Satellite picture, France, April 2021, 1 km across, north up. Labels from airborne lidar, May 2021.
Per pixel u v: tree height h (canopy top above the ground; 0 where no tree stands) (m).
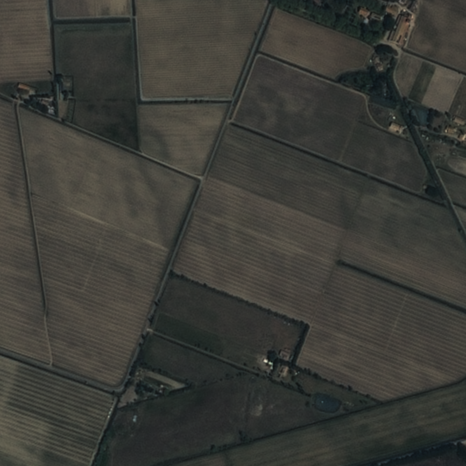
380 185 0
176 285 0
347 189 0
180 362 0
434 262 0
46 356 0
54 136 0
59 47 0
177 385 0
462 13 0
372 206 0
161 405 0
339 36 0
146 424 0
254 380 0
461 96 0
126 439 0
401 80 0
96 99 0
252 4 0
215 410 0
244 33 0
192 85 0
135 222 0
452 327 0
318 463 0
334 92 0
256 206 0
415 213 0
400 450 0
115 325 0
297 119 0
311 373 12
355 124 0
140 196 0
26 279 0
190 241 0
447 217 0
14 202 0
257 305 6
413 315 0
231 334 0
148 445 0
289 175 0
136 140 0
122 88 0
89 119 0
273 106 0
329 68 0
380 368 0
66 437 0
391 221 0
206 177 0
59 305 0
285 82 0
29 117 0
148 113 0
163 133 0
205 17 0
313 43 0
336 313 0
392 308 0
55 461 0
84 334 0
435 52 0
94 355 0
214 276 0
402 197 0
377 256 0
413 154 0
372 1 24
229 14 0
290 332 0
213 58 0
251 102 0
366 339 0
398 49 0
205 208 0
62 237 0
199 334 0
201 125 0
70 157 0
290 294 0
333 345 0
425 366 0
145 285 0
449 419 0
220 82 0
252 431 0
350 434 0
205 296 0
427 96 0
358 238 0
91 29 0
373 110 0
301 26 0
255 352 0
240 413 0
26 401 0
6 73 0
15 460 0
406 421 0
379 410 0
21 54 0
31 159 0
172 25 0
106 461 7
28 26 0
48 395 0
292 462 0
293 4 25
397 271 0
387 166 0
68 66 0
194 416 0
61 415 0
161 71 0
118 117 0
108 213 0
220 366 0
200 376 0
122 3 0
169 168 0
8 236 0
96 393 0
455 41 0
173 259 0
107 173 0
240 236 0
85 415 0
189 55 0
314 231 0
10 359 0
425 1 0
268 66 0
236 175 0
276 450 0
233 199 0
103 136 0
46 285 0
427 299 0
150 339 0
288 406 0
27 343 0
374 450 0
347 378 0
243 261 0
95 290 0
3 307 0
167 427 0
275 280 0
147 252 0
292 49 0
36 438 0
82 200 0
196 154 0
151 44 0
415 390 0
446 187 0
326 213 0
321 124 0
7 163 0
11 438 0
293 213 0
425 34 0
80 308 0
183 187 0
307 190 0
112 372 0
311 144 0
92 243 0
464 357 0
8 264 0
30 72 0
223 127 0
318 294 0
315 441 0
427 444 0
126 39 0
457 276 0
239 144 0
